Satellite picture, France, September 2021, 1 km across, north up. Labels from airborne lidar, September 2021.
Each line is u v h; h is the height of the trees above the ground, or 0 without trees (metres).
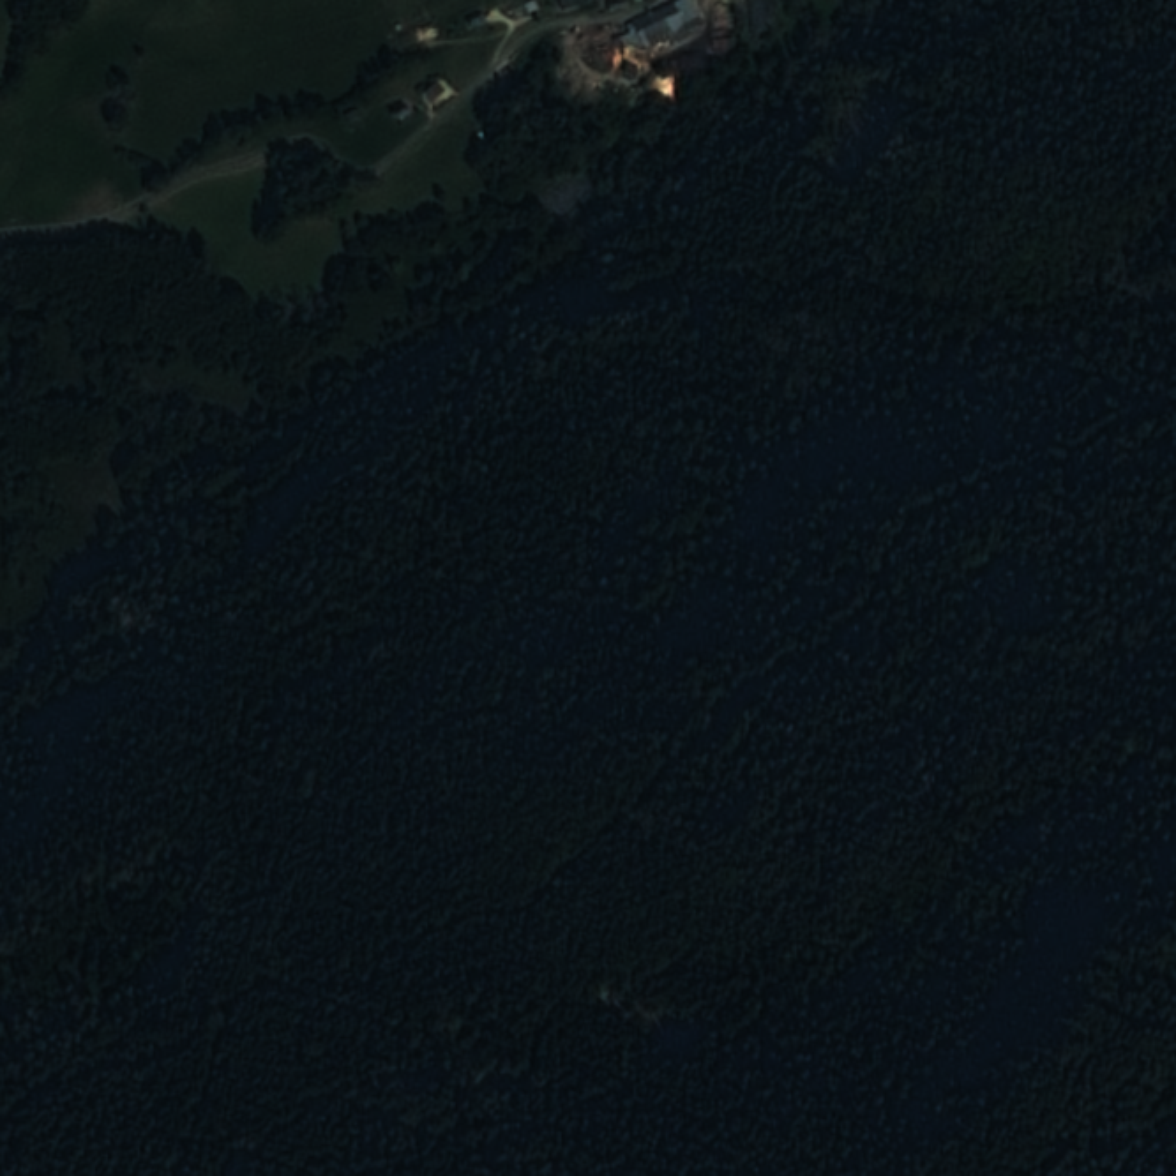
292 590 37
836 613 32
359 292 22
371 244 18
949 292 19
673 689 17
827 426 21
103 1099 30
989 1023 22
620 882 24
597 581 9
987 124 29
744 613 18
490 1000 27
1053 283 21
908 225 16
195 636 27
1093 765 26
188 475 11
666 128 17
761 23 0
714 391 24
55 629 9
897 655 28
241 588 29
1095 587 28
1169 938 23
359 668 17
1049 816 27
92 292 22
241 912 24
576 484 18
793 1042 24
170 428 24
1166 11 30
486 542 20
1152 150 23
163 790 18
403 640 18
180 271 17
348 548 25
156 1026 22
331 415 20
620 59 0
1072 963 23
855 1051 29
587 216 13
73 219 0
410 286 0
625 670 18
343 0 0
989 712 24
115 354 21
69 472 0
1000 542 16
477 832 20
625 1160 28
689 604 13
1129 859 20
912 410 23
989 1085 33
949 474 22
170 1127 28
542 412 24
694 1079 20
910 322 26
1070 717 27
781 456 11
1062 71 35
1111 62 22
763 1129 25
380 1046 25
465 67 0
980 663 23
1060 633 20
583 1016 20
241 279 0
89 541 0
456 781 21
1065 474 9
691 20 0
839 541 24
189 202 0
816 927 26
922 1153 32
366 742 20
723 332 28
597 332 36
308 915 14
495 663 20
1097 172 23
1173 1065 20
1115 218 21
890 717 19
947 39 23
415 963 22
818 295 25
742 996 11
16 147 0
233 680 25
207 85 0
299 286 0
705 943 22
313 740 21
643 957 17
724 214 24
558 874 13
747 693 10
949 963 21
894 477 18
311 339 18
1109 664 27
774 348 27
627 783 18
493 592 23
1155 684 29
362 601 24
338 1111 25
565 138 21
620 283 34
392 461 24
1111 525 24
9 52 6
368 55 0
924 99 27
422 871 18
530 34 0
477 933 20
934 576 21
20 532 13
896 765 31
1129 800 31
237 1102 20
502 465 25
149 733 24
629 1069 22
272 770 25
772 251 25
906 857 24
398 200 0
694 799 14
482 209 12
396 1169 20
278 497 9
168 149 0
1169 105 27
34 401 16
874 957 16
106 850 23
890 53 26
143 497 7
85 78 0
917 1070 26
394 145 0
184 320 20
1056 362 22
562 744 18
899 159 26
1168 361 28
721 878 14
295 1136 24
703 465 16
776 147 30
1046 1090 18
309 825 23
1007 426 26
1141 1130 29
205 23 0
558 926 21
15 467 18
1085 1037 18
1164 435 30
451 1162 21
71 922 8
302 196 29
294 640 23
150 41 0
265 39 0
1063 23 19
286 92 0
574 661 24
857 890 20
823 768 29
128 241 20
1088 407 24
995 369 25
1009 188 19
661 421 25
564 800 21
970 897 22
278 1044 25
